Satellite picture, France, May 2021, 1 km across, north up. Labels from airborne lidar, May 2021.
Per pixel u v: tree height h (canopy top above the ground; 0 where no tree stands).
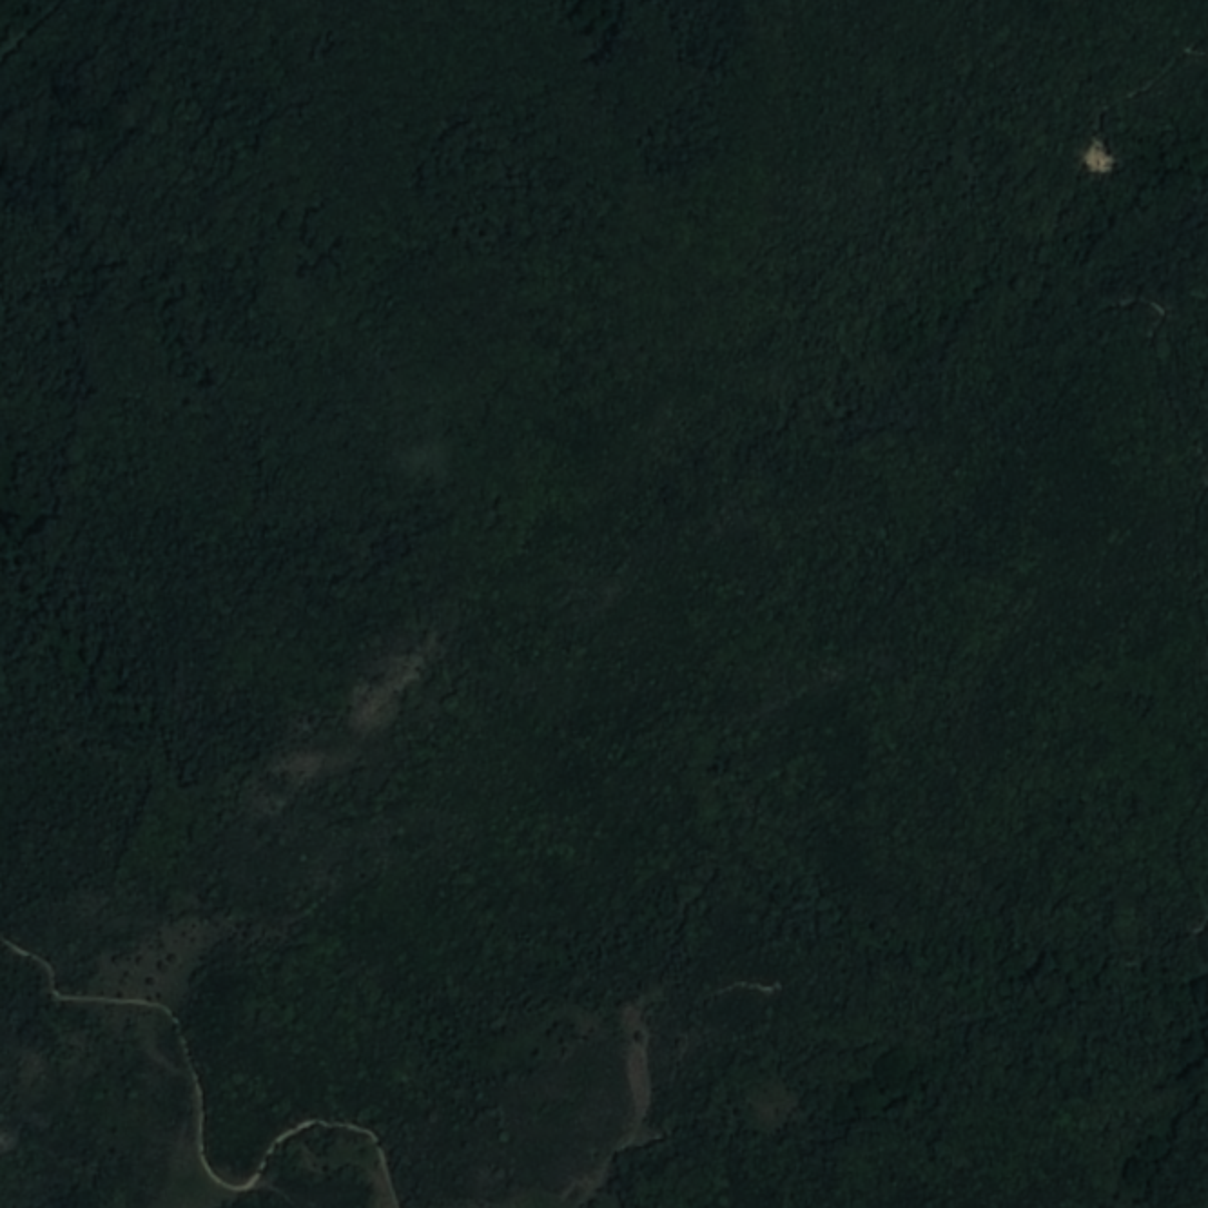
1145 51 8
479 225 11
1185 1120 10
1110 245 18
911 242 12
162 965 9
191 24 10
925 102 10
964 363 11
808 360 10
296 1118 6
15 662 13
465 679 8
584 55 19
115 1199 7
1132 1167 15
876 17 8
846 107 6
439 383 16
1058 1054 17
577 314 13
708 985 6
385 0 19
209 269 10
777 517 9
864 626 7
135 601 11
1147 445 9
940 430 8
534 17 16
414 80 17
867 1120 10
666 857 8
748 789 10
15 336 14
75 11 10
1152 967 17
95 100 21
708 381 8
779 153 9
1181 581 9
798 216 12
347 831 6
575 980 10
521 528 8
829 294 16
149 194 13
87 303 21
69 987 7
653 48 20
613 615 6
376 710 0
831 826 13
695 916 8
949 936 11
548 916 7
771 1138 7
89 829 6
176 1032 7
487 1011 7
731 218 11
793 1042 7
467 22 17
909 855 9
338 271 15
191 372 20
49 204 22
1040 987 20
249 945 7
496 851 10
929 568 12
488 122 17
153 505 12
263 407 21
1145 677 11
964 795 9
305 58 17
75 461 14
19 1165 7
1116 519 6
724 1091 11
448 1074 7
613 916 12
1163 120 13
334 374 14
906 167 12
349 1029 9
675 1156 11
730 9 8
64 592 13
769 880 15
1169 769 9
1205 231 13
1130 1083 14
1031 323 13
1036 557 8
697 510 11
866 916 13
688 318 18
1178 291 9
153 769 12
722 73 12
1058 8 12
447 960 6
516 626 6
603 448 8
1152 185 16
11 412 10
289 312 17
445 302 15
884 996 10
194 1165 0
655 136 16
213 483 20
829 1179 8
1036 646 7
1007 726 7
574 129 22
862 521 10
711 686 8
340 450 19
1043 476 9
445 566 13
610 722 9
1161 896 7
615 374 13
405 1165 6
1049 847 6
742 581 9
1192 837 9
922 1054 17
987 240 9
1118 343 11
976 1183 9
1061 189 15
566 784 6
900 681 9
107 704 13
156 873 7
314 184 18
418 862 7
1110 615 6
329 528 17
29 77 13
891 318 14
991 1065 15
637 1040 6
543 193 14
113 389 17
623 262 15
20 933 6
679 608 7
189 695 7
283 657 13
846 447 10
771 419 15
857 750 6
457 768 6
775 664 7
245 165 17
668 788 9
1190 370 12
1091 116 14
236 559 10
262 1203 6
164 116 16
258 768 8
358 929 6
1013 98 14
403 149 16
